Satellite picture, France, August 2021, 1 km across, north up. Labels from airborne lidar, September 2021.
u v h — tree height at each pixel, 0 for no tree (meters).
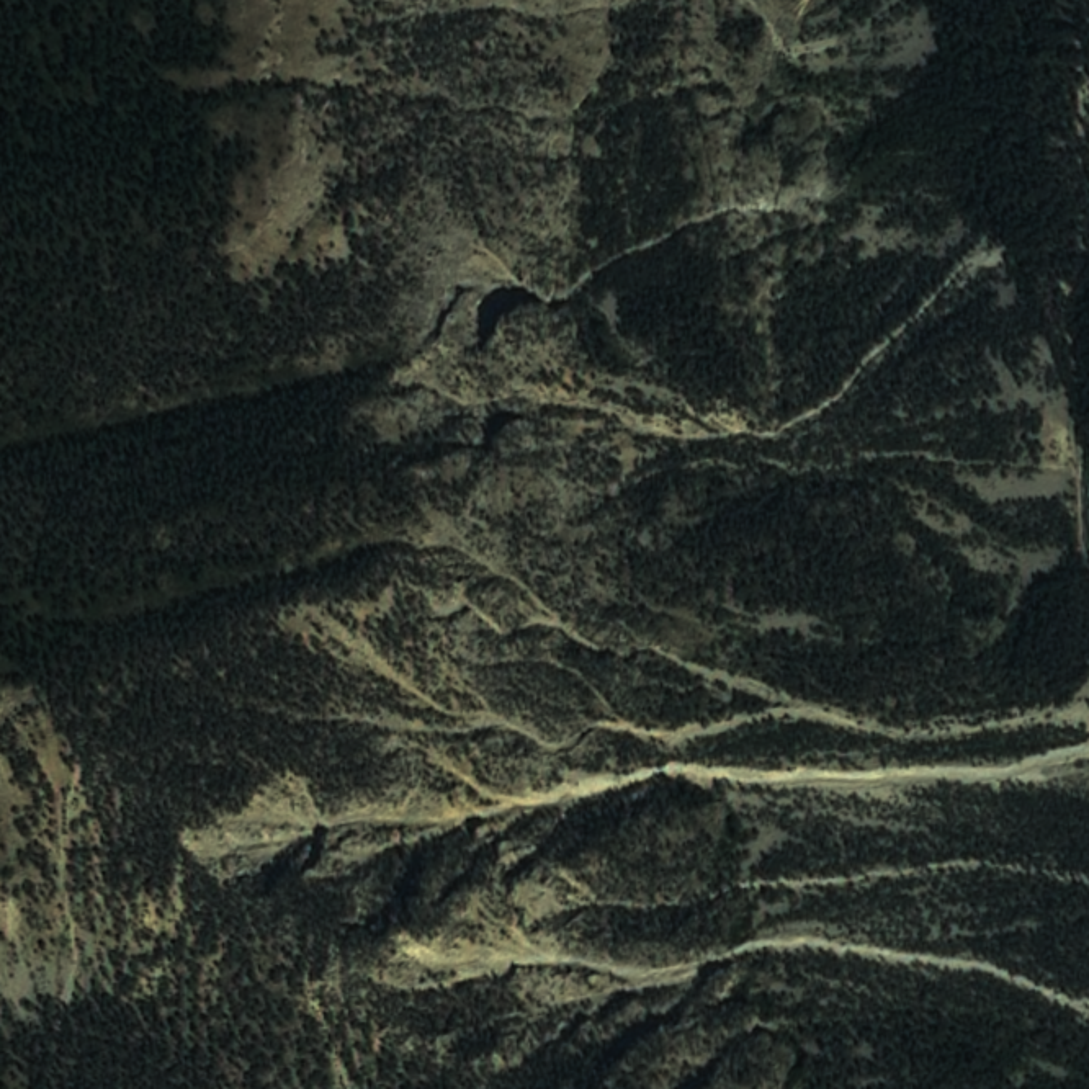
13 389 8
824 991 9
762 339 25
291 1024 13
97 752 7
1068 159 16
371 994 9
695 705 7
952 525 8
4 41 18
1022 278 12
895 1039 7
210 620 13
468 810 0
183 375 13
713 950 10
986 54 17
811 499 7
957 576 9
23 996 0
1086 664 7
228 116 0
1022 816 6
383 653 7
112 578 6
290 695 11
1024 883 6
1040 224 17
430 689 9
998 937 6
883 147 9
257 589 11
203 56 16
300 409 15
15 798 0
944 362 9
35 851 8
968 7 23
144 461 18
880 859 8
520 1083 12
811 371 8
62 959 0
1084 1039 8
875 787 0
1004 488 0
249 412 15
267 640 15
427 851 10
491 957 0
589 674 10
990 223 13
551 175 12
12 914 0
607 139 7
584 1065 15
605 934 7
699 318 15
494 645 6
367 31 7
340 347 7
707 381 13
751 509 17
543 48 9
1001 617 8
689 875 8
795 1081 10
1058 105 20
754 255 10
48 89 20
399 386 12
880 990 8
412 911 8
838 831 7
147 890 11
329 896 11
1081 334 10
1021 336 7
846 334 11
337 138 8
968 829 6
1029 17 18
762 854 0
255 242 0
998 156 17
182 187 18
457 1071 6
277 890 8
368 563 14
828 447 10
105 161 18
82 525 17
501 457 6
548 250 6
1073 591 16
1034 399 0
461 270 0
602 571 10
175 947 13
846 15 8
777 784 0
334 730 9
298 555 6
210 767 15
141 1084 11
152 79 17
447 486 11
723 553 15
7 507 12
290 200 0
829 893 7
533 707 6
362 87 8
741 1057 12
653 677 13
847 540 11
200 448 19
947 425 6
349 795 7
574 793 0
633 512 6
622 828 10
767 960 13
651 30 14
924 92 12
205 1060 14
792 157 6
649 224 6
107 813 13
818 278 8
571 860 8
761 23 6
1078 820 6
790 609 7
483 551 7
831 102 9
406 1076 10
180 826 9
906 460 9
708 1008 8
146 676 20
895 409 9
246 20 0
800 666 11
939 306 7
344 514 15
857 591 14
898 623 6
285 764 14
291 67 0
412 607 9
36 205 17
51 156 7
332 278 14
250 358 11
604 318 6
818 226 15
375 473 12
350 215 14
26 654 15
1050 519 6
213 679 18
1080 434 10
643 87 8
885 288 8
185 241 15
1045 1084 12
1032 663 8
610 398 9
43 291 17
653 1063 6
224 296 16
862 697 12
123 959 12
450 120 10
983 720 6
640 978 0
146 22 0
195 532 13
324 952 9
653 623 8
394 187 11
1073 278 14
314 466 11
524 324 6
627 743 7
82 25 17
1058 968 9
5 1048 16
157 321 15
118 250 18
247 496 14
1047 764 0
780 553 9
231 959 9
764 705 8
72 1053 14
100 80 21
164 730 16
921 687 9
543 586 8
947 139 11
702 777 0
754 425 7
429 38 8
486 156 7
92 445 18
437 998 13
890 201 7
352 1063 13
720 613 9
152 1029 9
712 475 5
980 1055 13
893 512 30
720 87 9
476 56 10
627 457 0
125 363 14
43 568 16
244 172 15
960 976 10
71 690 8
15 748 9
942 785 6
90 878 8
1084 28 19
